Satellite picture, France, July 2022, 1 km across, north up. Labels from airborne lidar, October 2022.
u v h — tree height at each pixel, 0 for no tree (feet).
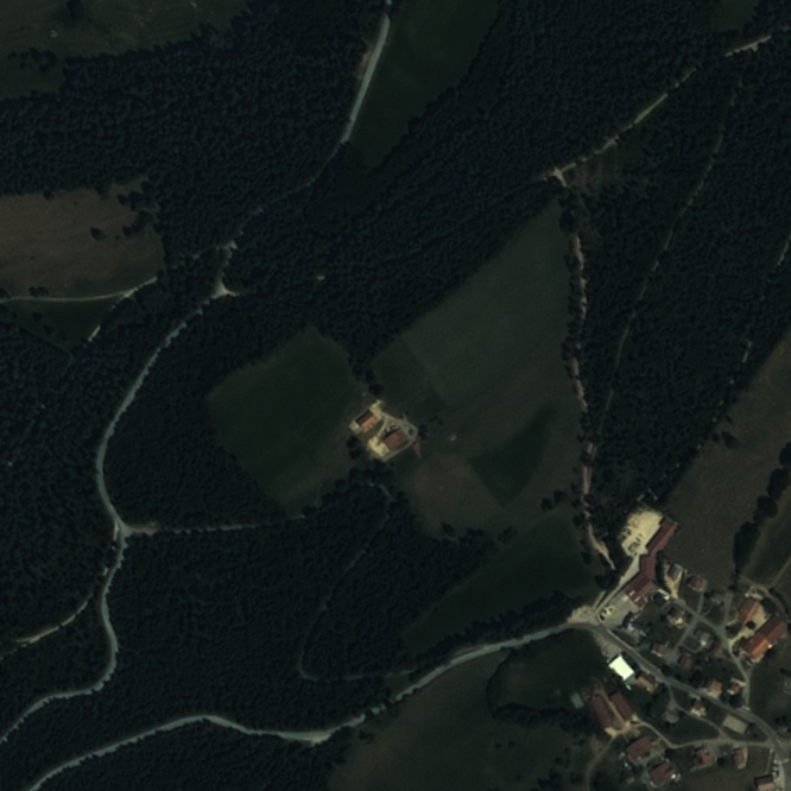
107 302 0
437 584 46
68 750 44
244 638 43
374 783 0
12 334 119
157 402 37
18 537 105
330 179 66
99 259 0
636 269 44
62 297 0
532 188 58
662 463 20
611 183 0
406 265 64
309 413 0
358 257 114
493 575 0
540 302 0
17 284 0
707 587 0
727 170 31
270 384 0
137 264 0
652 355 45
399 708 18
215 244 64
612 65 71
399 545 53
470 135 60
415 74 0
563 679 0
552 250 0
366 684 47
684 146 39
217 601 71
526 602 0
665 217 28
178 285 48
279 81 79
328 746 43
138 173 48
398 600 50
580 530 20
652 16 99
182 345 36
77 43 0
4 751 59
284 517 41
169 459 29
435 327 0
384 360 0
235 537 53
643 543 0
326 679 55
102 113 113
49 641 30
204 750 70
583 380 40
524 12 79
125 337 69
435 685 0
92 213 0
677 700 0
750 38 39
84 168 80
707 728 0
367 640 39
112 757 28
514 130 93
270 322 87
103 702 52
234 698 36
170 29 0
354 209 45
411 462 0
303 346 0
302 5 24
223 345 20
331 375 0
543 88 72
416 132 68
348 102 52
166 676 39
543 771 0
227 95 53
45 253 0
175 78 23
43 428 70
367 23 85
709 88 31
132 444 26
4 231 0
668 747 0
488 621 0
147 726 50
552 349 0
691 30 94
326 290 37
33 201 0
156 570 54
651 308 32
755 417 0
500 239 46
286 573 35
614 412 29
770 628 0
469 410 0
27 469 119
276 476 0
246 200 101
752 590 0
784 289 44
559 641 48
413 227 73
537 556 0
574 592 0
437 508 0
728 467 0
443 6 0
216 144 69
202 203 103
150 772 25
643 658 0
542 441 0
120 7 0
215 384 43
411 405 0
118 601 53
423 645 0
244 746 54
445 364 0
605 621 0
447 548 48
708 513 0
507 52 39
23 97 0
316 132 89
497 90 36
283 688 29
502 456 0
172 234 86
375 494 49
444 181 89
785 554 0
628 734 0
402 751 0
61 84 0
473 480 0
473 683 0
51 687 19
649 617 0
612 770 0
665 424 27
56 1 0
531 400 0
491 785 0
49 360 83
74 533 22
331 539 36
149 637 47
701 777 0
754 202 27
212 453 46
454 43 0
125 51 0
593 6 67
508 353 0
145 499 27
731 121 22
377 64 0
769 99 49
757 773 0
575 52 74
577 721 45
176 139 71
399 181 80
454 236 76
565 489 0
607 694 0
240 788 49
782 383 0
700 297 29
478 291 0
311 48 30
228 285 54
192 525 42
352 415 0
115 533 0
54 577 29
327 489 0
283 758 73
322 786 60
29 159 72
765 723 0
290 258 104
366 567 26
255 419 0
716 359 26
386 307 42
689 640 0
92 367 117
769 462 0
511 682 0
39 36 0
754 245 38
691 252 27
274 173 67
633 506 23
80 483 33
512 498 0
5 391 133
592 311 32
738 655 29
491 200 62
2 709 23
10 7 0
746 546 76
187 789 61
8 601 57
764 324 47
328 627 36
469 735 0
